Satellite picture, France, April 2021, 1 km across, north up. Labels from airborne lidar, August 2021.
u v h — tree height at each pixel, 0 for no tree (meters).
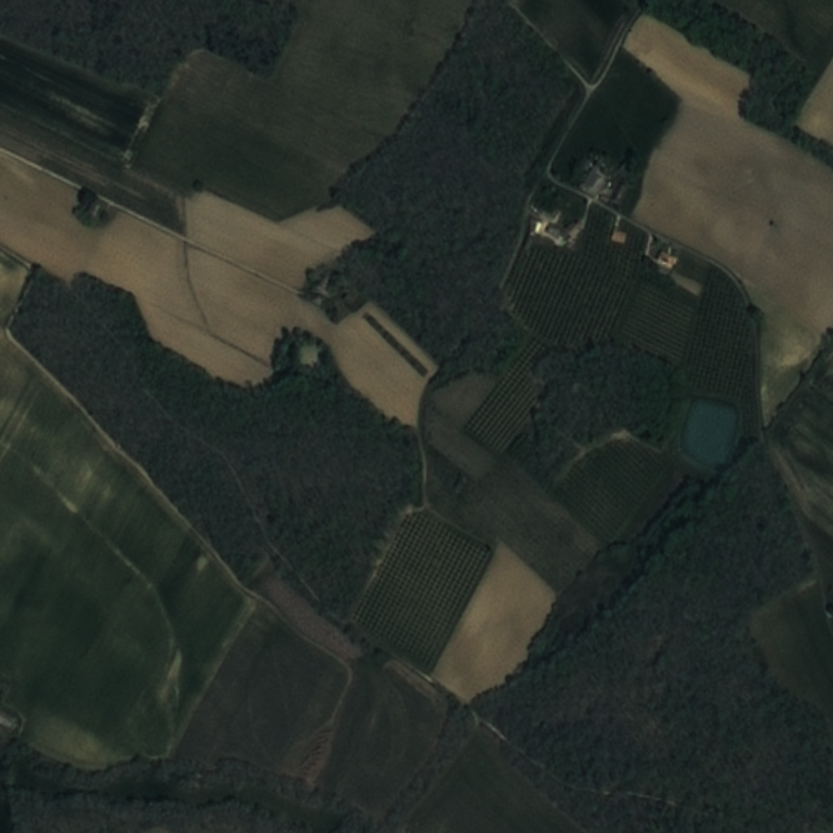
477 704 11
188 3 15
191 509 13
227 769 17
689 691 17
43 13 14
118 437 13
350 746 0
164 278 0
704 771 19
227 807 13
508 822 0
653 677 16
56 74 0
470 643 0
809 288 0
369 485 16
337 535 17
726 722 20
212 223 0
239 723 0
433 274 16
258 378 0
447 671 0
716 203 0
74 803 21
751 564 19
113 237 0
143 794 0
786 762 20
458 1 0
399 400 0
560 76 15
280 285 0
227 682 0
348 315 0
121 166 0
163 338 0
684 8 14
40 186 0
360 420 19
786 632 0
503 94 15
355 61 0
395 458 16
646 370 21
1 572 0
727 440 0
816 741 18
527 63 16
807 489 0
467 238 17
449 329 15
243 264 0
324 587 18
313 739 0
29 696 0
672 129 0
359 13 0
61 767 8
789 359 0
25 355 0
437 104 15
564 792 15
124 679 0
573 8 0
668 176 0
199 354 0
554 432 13
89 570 0
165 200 0
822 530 0
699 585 21
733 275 0
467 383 0
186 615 0
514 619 0
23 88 0
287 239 0
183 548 0
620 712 15
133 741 0
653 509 0
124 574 0
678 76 0
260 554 10
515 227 12
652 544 7
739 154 0
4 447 0
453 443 0
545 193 7
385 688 0
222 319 0
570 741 16
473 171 19
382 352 0
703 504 21
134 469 0
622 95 0
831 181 0
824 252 0
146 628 0
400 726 0
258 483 13
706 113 0
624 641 19
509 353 17
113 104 0
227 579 0
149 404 17
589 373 15
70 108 0
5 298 0
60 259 0
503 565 0
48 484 0
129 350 20
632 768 16
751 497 18
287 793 17
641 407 22
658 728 17
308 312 0
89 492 0
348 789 0
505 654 0
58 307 12
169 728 0
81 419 0
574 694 17
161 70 15
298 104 0
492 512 0
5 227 0
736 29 21
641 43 0
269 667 0
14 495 0
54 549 0
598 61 0
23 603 0
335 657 0
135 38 13
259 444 17
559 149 0
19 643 0
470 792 0
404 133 14
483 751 0
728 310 6
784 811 18
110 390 14
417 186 16
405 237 18
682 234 0
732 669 21
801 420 0
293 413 21
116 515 0
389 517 18
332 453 17
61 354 15
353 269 22
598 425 19
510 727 14
